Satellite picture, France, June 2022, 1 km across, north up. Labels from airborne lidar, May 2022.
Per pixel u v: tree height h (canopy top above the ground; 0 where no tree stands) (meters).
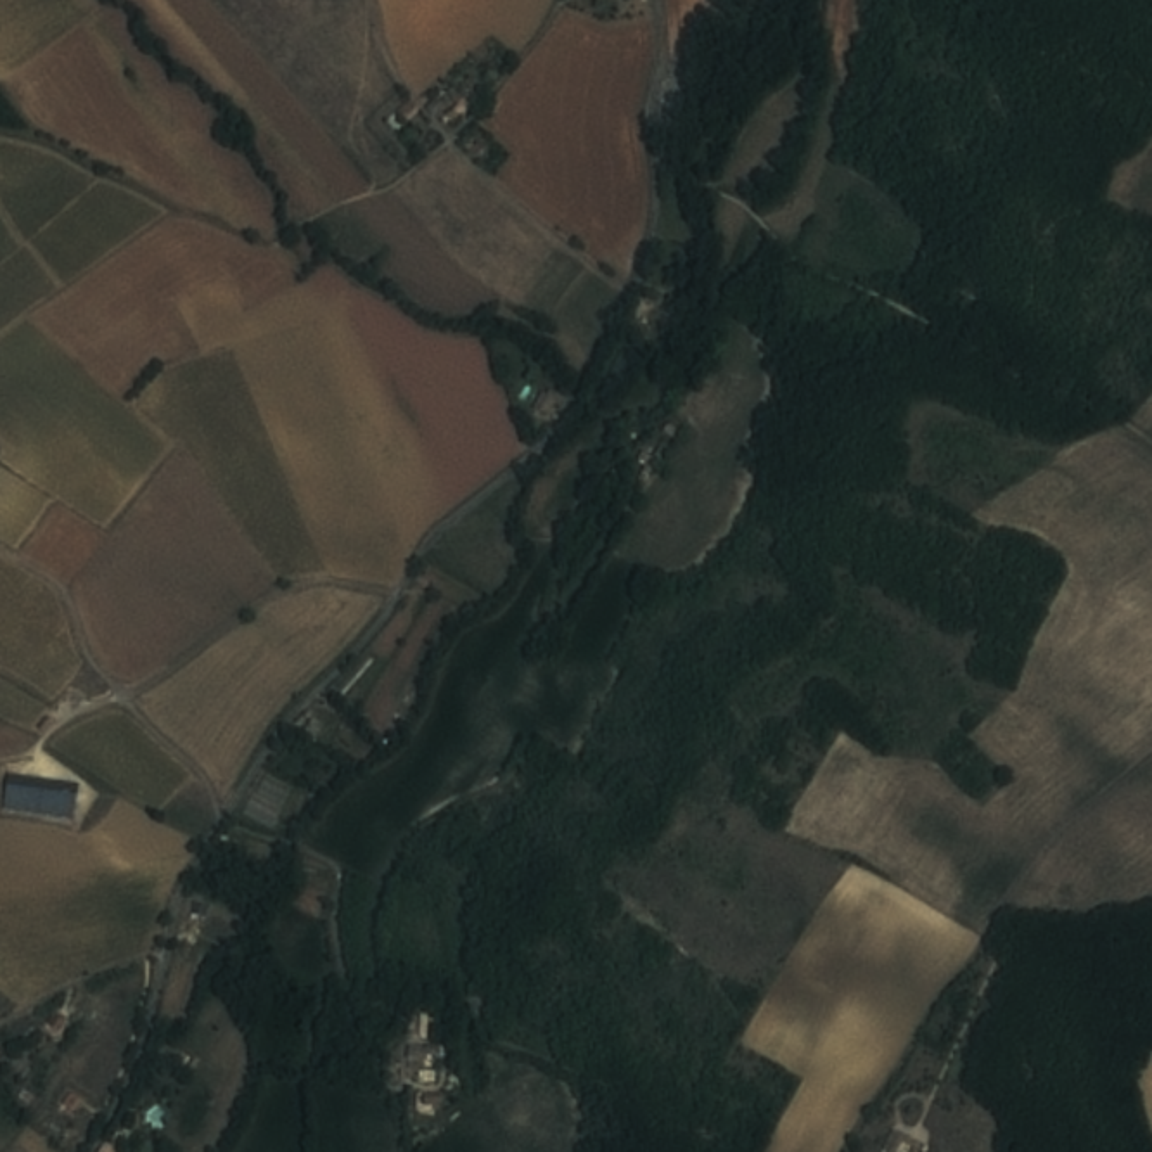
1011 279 9
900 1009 0
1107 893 0
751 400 0
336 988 12
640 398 0
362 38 0
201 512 0
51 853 0
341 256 9
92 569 0
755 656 8
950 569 8
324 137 0
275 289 0
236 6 0
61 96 0
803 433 20
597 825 8
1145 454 0
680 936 0
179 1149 15
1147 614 0
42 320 0
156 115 0
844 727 11
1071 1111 9
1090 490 0
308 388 0
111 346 0
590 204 0
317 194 0
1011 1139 14
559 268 0
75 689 0
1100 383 10
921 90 14
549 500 0
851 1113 0
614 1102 17
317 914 0
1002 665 10
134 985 0
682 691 11
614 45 0
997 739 0
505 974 8
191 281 0
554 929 9
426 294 0
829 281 10
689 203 28
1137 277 7
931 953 0
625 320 33
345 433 0
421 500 0
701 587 11
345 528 0
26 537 0
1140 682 0
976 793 6
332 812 0
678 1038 9
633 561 0
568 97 0
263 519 0
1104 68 8
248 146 16
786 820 6
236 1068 0
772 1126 8
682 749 7
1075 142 13
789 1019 0
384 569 0
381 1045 14
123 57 0
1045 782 0
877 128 15
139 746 0
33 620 0
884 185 12
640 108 0
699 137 25
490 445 0
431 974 10
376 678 0
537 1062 13
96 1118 10
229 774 0
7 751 0
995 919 12
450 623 14
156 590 0
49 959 0
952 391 16
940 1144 0
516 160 0
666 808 11
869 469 11
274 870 25
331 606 0
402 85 7
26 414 0
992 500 0
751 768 9
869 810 0
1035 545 8
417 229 0
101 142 0
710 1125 8
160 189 0
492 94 13
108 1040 0
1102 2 10
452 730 0
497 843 11
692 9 0
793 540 6
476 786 0
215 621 0
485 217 0
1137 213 11
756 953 0
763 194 19
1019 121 11
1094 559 0
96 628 0
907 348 17
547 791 7
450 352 0
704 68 32
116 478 0
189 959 0
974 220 11
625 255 0
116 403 0
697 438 0
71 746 0
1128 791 0
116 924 0
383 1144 0
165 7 0
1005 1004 12
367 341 0
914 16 12
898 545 9
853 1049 0
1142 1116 17
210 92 13
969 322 18
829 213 0
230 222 0
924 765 0
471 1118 0
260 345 0
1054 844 0
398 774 0
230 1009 14
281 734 13
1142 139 11
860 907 0
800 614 8
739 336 0
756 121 0
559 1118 0
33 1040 12
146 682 0
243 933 21
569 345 0
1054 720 0
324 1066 19
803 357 18
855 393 16
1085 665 0
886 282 16
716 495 0
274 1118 0
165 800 0
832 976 0
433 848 7
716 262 24
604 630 0
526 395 0
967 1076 16
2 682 0
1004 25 12
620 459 16
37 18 0
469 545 0
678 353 29
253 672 0
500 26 0
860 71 15
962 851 0
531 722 0
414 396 0
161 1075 24
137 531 0
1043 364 17
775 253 18
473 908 18
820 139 0
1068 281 7
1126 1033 23
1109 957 26
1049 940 15
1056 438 10
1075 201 12
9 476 0
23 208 0
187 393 0
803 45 23
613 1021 8
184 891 8
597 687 0
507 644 0
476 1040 13
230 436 0
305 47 0
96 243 0
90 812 0
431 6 0
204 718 0
